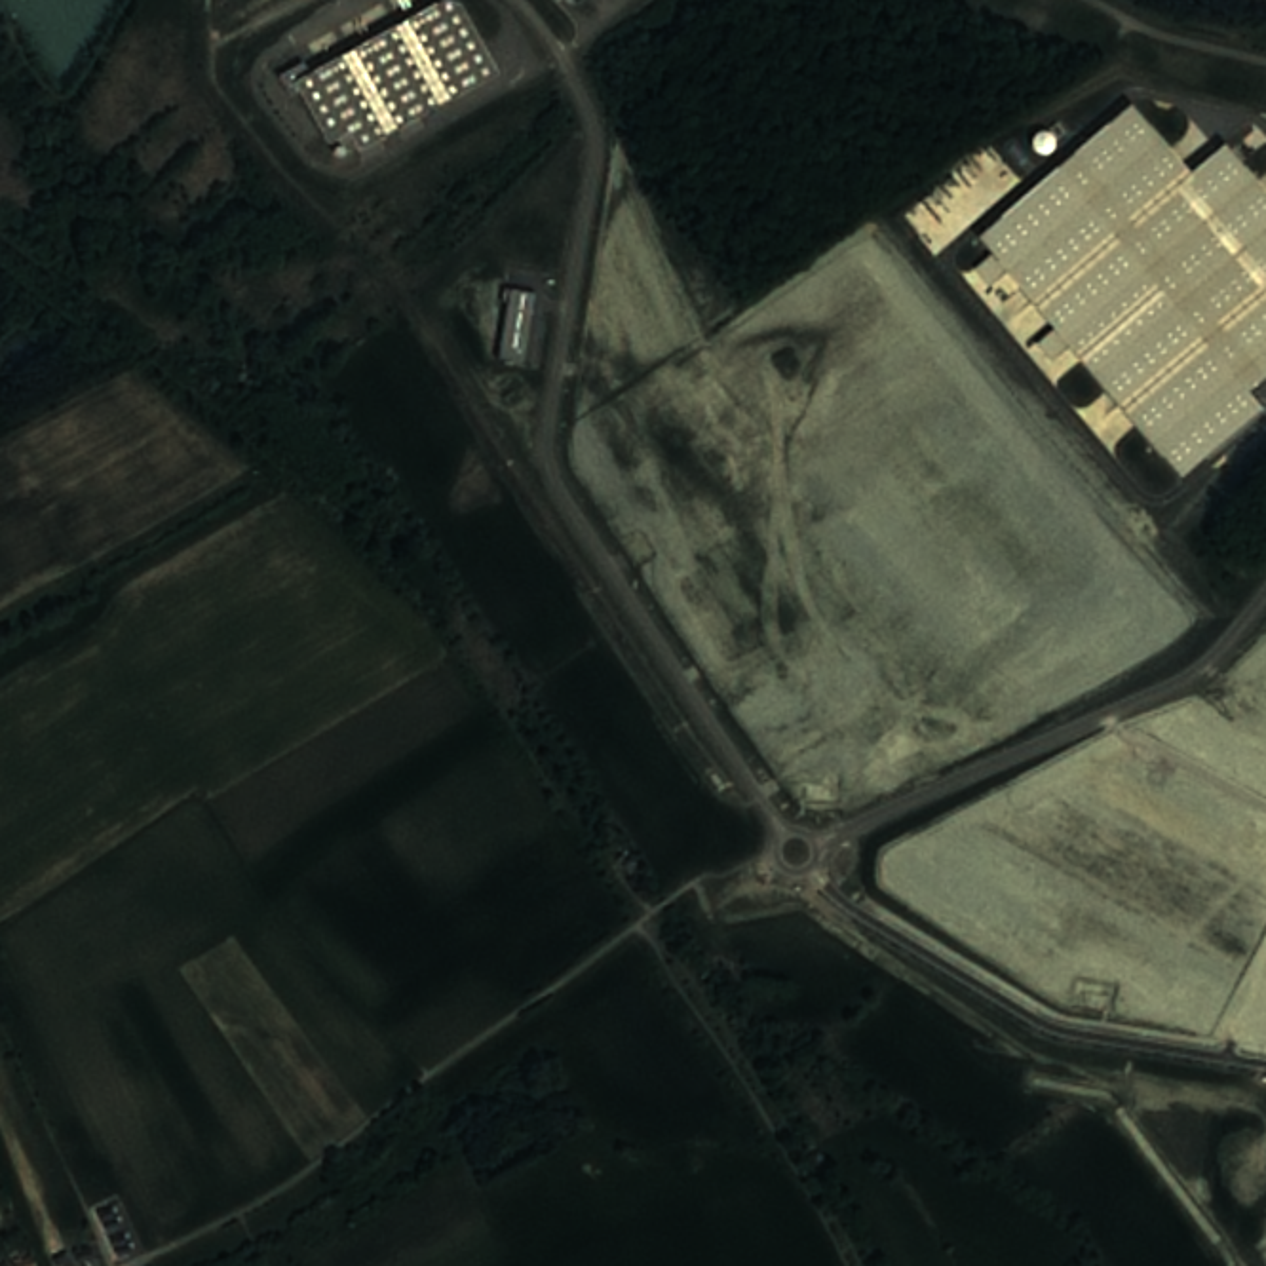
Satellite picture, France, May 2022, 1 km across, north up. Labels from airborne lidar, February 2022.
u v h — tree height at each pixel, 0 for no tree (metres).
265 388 15
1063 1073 0
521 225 0
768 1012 0
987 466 0
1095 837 0
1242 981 0
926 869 0
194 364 9
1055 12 0
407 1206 0
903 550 0
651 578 0
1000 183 0
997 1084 0
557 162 0
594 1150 0
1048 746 0
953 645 0
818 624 0
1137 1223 0
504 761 0
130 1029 0
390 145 0
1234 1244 0
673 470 0
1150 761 0
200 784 0
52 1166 0
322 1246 0
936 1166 0
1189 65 0
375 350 0
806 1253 0
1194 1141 0
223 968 0
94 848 0
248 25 0
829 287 0
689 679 0
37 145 12
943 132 22
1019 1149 0
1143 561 0
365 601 0
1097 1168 0
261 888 0
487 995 0
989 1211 0
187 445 0
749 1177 0
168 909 0
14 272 18
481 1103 15
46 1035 0
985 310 0
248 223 22
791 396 0
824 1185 15
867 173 24
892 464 0
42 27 0
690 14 17
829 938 0
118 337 15
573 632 0
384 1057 0
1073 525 0
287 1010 0
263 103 0
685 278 0
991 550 0
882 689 0
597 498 0
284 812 0
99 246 15
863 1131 0
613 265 0
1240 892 0
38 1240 0
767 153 24
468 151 0
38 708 0
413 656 0
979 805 0
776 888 0
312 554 0
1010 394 0
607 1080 0
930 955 0
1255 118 0
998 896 0
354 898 0
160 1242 0
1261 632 0
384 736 0
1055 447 0
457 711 0
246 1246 7
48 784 0
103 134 0
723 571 0
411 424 0
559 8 0
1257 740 0
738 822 0
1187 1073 0
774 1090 11
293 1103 0
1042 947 0
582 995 0
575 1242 0
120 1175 0
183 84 0
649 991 0
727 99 25
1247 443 0
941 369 0
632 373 0
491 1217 0
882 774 0
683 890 0
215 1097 0
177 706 0
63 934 0
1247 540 23
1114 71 0
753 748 0
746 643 0
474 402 0
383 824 0
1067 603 0
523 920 0
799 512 0
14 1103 0
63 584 0
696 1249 0
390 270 0
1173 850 0
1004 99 25
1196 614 0
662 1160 0
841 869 0
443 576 14
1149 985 0
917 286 0
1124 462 0
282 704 0
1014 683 0
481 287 0
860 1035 0
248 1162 0
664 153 26
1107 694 0
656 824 0
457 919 0
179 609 0
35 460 0
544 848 0
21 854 0
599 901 0
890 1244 0
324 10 0
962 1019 0
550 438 0
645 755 0
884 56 28
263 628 0
